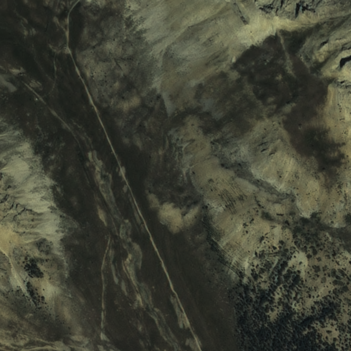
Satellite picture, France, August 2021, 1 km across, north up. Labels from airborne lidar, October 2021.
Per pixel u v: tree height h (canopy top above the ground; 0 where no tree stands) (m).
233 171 0
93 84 0
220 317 0
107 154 0
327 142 0
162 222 0
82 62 0
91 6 0
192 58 0
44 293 0
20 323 0
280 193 0
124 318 0
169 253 0
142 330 0
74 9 0
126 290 0
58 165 0
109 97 0
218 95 0
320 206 0
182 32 0
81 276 0
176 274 0
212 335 0
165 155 0
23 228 0
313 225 0
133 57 0
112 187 0
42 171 0
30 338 0
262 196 0
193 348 0
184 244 0
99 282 0
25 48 0
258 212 0
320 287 0
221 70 0
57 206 0
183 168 0
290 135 0
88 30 0
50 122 0
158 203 0
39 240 0
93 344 0
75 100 0
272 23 0
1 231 0
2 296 0
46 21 0
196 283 0
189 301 0
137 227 0
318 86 0
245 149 0
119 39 0
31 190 0
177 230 0
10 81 0
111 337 0
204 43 0
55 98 0
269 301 10
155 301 0
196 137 0
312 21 0
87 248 0
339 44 0
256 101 0
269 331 7
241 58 0
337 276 0
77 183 0
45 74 0
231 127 0
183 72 0
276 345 7
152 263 0
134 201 0
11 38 0
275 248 6
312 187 0
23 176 0
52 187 0
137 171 0
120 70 0
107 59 0
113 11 0
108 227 0
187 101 0
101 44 0
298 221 0
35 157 0
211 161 0
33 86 0
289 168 0
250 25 0
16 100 0
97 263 0
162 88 0
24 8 0
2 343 0
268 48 0
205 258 0
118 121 0
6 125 0
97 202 0
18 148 0
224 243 0
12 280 0
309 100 0
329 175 0
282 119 0
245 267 0
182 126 0
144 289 0
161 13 0
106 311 0
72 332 0
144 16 0
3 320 0
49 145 0
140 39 0
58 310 0
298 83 0
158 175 0
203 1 0
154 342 0
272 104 0
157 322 0
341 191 0
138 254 0
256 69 0
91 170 0
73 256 0
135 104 0
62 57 0
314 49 0
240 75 0
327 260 0
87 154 0
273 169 0
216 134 0
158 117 0
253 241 0
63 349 0
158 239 0
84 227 0
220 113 0
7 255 0
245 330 7
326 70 0
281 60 0
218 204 0
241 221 0
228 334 0
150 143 0
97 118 0
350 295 0
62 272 0
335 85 0
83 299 0
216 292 0
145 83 0
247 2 0
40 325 0
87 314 0
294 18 0
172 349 0
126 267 0
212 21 0
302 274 0
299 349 9
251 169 0
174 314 0
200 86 0
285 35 0
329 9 0
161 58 0
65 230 0
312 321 10
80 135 0
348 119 0
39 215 0
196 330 0
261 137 0
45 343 0
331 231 0
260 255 7
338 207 0
